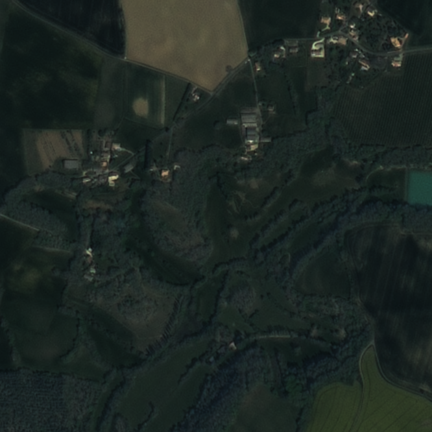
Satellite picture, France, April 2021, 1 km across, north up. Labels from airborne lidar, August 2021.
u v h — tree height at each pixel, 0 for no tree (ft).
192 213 40
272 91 0
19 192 82
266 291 0
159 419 0
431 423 0
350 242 0
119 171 0
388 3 0
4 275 0
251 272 0
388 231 0
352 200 41
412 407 0
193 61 0
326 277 0
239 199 0
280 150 77
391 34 18
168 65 0
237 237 0
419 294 0
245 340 27
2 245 0
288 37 0
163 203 58
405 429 0
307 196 0
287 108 0
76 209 38
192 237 40
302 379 81
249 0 0
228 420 67
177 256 60
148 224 70
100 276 27
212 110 0
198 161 70
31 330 0
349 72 27
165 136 0
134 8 0
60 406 37
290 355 0
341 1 26
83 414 90
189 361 0
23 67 0
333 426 0
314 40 0
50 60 0
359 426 0
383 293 0
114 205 22
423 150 43
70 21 0
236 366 56
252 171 62
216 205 0
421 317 0
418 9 0
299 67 0
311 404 26
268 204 58
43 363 0
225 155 57
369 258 0
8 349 0
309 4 0
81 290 0
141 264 54
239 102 0
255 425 0
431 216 75
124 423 81
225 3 0
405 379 0
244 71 0
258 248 61
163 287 85
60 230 47
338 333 34
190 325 0
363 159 76
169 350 49
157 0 0
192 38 0
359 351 56
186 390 0
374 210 72
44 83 0
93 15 0
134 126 0
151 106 0
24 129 0
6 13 0
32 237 0
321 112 59
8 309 0
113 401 56
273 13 0
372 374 0
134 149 0
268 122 0
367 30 35
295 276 65
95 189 21
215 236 0
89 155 24
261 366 73
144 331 0
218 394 31
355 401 0
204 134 0
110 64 0
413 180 0
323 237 18
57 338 0
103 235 69
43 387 48
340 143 65
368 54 32
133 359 0
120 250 68
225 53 0
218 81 0
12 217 29
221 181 100
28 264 0
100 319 0
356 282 0
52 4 0
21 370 45
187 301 33
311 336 61
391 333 0
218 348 43
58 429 50
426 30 0
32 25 0
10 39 0
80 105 0
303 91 0
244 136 0
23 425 36
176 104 0
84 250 44
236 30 0
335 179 0
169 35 0
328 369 60
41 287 0
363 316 47
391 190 18
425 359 0
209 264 0
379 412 0
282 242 55
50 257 0
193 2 0
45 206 0
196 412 48
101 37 0
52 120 0
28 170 0
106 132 28
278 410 0
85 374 0
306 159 47
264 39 0
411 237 0
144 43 0
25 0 0
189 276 0
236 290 0
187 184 72
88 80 0
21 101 0
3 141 0
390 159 80
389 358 0
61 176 45
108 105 0
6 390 42
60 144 0
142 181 32
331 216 45
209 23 0
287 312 18
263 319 0
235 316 0
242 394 67
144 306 42
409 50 0
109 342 0
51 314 0
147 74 0
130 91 0
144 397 0
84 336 41
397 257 0
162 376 0
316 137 73
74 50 0
